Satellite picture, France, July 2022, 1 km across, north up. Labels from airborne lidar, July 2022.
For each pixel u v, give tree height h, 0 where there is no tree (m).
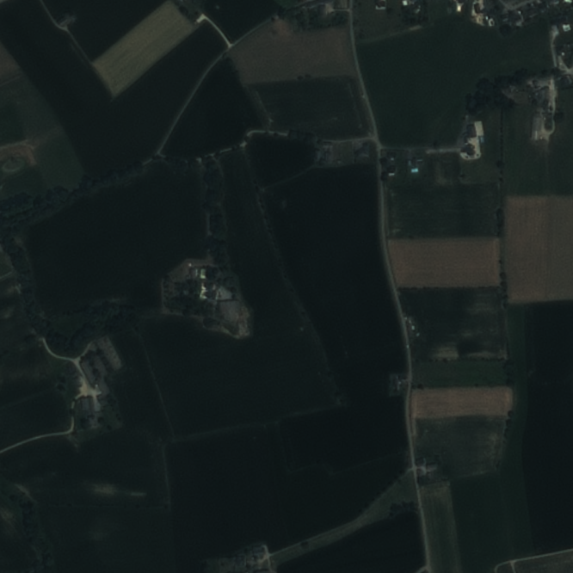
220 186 21
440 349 0
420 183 0
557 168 0
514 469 0
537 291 0
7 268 0
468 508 0
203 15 0
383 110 0
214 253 27
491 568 0
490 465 0
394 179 0
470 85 0
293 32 0
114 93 0
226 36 6
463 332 0
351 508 0
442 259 0
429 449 0
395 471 0
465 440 0
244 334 0
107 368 12
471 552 0
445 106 0
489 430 0
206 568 15
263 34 0
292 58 0
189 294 9
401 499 0
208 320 8
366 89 0
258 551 0
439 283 0
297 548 0
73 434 8
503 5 0
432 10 0
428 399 0
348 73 0
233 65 8
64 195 25
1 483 0
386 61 0
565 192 0
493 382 0
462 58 0
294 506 0
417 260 0
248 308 0
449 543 0
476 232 0
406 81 0
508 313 0
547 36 0
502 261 7
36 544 26
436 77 0
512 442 0
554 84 0
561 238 0
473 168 0
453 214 0
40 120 0
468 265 0
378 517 0
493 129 0
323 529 0
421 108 0
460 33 0
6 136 0
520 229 0
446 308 0
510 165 0
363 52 0
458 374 0
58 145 0
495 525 0
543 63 0
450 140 0
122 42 0
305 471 0
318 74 0
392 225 0
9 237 23
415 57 0
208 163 12
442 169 0
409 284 0
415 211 0
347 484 0
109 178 16
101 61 0
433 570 0
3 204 6
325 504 0
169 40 0
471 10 0
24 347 0
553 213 0
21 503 6
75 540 0
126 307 13
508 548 0
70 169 0
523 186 0
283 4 0
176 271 0
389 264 0
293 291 10
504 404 0
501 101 24
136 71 0
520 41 0
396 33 0
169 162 11
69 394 0
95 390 0
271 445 0
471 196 0
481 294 0
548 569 0
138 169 21
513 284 0
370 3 0
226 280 8
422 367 0
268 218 11
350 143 0
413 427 0
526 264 0
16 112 0
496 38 0
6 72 0
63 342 22
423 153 0
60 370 0
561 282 0
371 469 0
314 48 0
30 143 0
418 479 8
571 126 0
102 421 10
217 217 20
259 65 0
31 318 20
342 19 6
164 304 6
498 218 9
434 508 0
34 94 0
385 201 0
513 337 0
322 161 9
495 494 0
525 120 0
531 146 0
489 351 0
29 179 0
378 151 0
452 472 0
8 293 0
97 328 27
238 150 8
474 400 0
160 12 0
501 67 0
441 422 0
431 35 0
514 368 15
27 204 24
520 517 0
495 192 0
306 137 12
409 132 0
